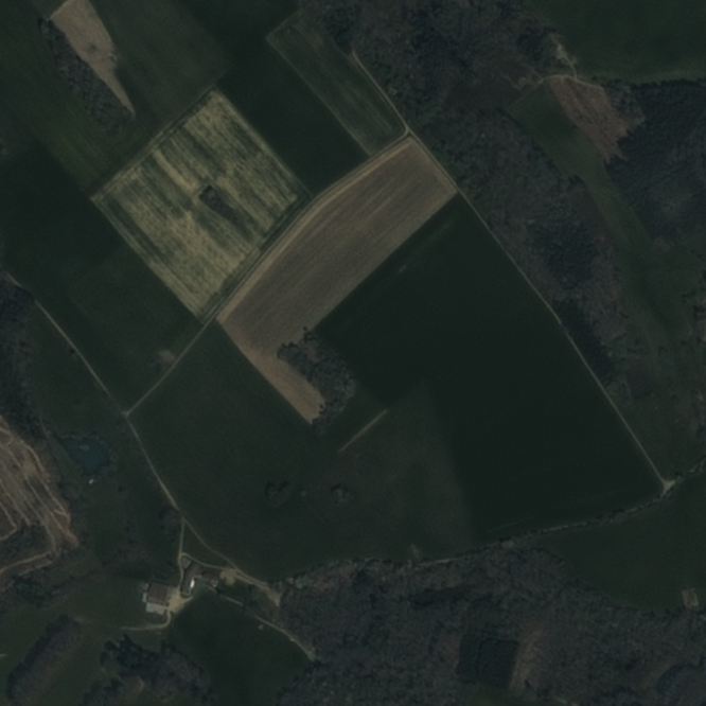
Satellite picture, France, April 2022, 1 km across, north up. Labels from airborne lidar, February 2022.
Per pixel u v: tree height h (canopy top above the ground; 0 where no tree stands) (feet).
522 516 0
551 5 0
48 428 46
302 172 0
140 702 0
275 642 0
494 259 0
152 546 0
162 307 0
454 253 0
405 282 0
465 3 0
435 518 0
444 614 63
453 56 103
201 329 0
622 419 0
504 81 0
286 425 0
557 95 0
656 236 56
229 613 0
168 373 0
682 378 0
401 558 0
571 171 0
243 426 0
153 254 0
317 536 0
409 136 0
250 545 0
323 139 0
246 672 0
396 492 0
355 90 0
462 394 0
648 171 78
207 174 0
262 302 0
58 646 101
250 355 0
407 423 0
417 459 0
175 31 0
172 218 0
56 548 0
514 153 84
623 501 0
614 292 107
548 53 76
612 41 0
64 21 0
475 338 0
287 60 0
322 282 0
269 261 0
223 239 0
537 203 94
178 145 0
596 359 42
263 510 0
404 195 0
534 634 0
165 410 0
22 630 0
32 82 0
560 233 76
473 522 0
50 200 0
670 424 0
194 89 0
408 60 85
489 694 0
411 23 94
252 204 0
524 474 0
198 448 0
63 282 0
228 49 0
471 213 0
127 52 0
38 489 0
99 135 0
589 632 25
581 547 0
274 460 0
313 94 0
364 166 0
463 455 0
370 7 112
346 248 0
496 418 0
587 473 0
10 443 0
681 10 0
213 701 53
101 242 0
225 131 0
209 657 0
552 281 80
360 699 56
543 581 55
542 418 0
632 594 0
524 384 0
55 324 0
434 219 0
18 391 38
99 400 0
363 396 0
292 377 0
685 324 0
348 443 0
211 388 0
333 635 39
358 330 0
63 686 0
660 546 0
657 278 0
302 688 61
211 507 0
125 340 0
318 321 0
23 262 0
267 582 0
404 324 0
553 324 0
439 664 76
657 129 67
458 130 83
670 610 0
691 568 0
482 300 0
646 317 0
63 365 0
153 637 0
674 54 0
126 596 0
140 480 0
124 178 0
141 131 0
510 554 49
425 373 0
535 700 59
